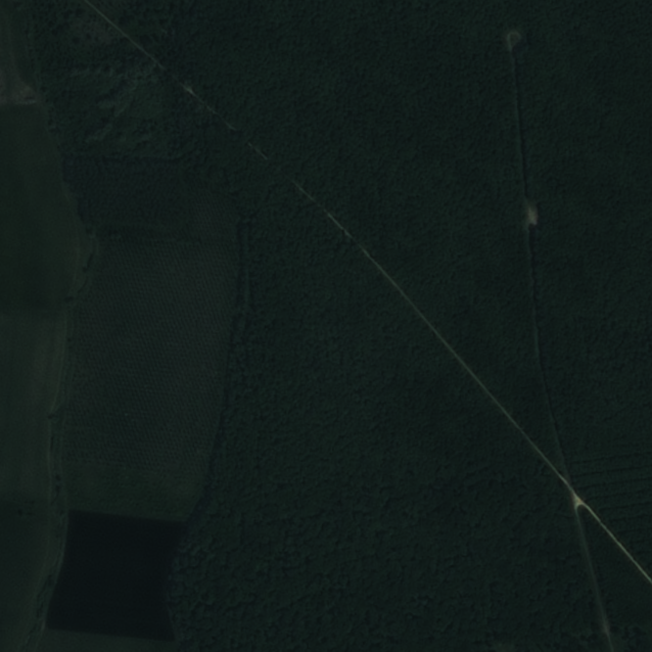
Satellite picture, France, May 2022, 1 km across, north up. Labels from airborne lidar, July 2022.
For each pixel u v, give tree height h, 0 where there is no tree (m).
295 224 21
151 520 0
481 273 24
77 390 12
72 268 0
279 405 22
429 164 23
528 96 20
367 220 22
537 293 23
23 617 0
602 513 14
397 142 24
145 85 6
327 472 20
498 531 26
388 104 21
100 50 8
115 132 7
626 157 23
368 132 22
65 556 0
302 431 17
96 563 0
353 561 23
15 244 0
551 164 21
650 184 23
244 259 17
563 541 28
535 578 23
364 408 21
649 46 24
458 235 22
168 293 12
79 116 8
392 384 24
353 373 25
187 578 29
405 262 24
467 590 24
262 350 22
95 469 0
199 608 27
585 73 22
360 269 19
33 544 0
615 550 14
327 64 20
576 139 22
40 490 0
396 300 20
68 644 0
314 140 22
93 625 0
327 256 23
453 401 23
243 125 22
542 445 20
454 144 24
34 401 0
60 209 0
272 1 26
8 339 0
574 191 24
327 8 26
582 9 24
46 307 0
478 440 25
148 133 21
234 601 25
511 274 25
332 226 21
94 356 11
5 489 0
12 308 0
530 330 21
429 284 23
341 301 24
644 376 21
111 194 29
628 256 21
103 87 6
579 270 22
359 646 21
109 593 0
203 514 23
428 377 25
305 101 23
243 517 28
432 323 7
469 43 22
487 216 23
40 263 0
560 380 22
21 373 0
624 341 21
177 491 0
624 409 22
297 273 22
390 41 24
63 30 15
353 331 22
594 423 22
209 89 20
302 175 22
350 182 22
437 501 31
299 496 25
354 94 24
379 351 21
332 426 22
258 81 20
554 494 23
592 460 14
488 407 22
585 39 23
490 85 23
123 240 16
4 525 0
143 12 11
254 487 19
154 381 12
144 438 12
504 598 22
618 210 24
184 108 19
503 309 20
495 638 20
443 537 26
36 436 0
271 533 26
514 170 21
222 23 25
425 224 24
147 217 27
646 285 22
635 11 24
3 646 0
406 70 23
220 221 13
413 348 18
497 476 26
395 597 23
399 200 23
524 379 22
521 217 21
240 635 27
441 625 22
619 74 25
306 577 24
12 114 0
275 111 24
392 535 22
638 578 14
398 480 26
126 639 0
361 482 22
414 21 22
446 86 24
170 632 0
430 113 24
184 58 19
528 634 23
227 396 20
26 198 0
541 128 21
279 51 19
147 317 12
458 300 24
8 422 0
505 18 19
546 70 23
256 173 19
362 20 23
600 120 22
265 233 23
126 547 0
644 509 15
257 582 25
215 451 11
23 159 0
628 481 13
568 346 21
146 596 0
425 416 22
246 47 24
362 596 22
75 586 0
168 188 29
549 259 21
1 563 0
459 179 24
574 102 22
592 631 26
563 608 24
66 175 22
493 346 22
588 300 22
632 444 13
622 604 16
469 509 23
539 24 25
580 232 21
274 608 23
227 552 22
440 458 23
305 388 22
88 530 0
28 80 0
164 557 0
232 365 18
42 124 0
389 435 16
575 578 24
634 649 25
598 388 20
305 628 24
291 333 24
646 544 15
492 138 24
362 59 26
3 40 0
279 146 21
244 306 18
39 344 0
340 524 25
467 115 25
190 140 23
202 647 22
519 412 23
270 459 21
